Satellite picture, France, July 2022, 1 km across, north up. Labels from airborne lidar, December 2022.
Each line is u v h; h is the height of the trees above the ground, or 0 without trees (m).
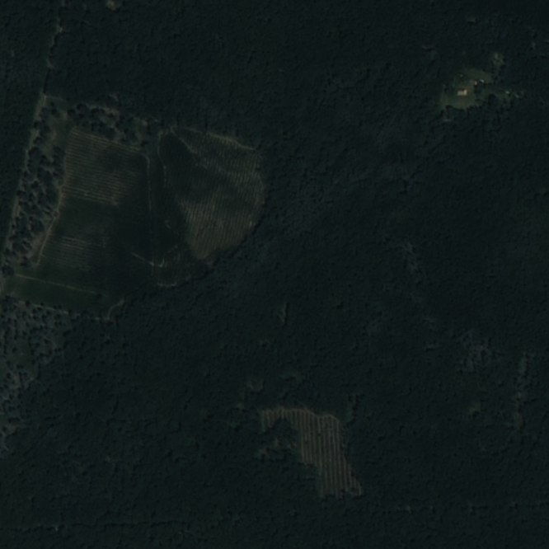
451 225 30
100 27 32
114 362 31
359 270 30
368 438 29
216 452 31
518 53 25
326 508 32
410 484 26
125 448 25
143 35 25
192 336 26
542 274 25
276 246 29
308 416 0
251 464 28
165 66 23
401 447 29
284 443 26
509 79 27
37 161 28
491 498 30
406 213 28
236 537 25
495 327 26
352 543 32
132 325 19
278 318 27
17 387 27
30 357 0
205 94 21
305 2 25
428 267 29
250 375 23
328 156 27
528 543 31
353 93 26
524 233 23
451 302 24
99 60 26
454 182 29
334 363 27
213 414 28
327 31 28
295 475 28
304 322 28
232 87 18
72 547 31
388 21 27
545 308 28
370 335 31
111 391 24
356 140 24
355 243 26
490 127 32
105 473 31
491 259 26
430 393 26
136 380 20
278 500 30
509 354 28
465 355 24
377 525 31
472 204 28
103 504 22
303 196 26
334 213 25
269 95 25
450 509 30
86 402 29
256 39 21
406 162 23
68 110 0
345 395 25
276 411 24
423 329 29
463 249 28
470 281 28
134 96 29
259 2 26
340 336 27
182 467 33
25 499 21
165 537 28
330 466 0
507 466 30
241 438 30
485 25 26
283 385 21
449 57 23
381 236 23
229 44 24
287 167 18
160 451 21
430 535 32
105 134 31
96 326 30
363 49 28
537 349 27
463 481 28
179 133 7
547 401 26
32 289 0
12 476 25
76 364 26
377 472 28
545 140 26
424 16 26
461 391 26
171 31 28
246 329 25
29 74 28
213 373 28
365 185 26
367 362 25
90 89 29
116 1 29
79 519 25
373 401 28
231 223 0
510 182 26
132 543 29
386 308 26
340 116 27
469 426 27
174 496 35
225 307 28
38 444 18
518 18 12
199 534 32
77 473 22
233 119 23
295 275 26
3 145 20
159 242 7
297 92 25
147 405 25
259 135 21
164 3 21
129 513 22
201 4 25
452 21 19
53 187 25
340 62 30
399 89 29
